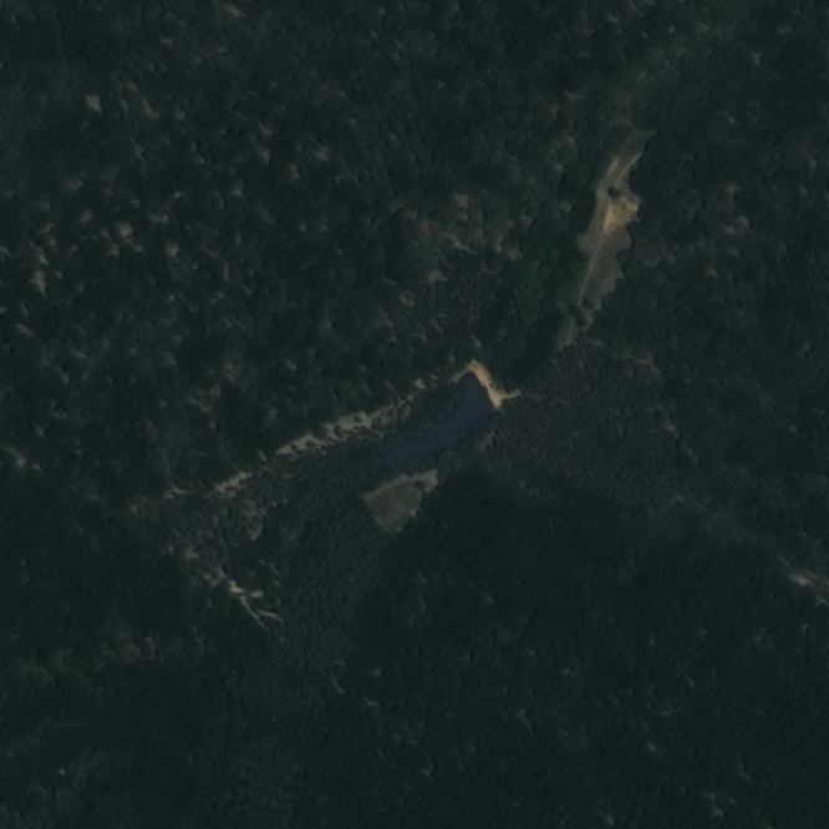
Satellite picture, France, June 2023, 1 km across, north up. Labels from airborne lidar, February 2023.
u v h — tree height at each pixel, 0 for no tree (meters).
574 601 24
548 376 17
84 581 23
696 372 21
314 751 16
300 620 21
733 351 25
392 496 0
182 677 15
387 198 29
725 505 23
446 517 19
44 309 24
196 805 13
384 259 21
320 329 25
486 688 21
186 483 23
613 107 19
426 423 8
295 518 17
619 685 16
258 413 20
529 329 17
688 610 24
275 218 25
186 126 21
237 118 18
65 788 15
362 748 20
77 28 24
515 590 22
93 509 25
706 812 27
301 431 17
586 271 0
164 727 16
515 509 18
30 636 20
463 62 24
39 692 13
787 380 22
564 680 21
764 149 27
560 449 20
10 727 17
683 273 24
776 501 24
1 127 18
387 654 22
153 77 24
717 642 23
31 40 25
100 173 20
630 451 18
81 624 17
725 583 24
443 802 20
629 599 22
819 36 19
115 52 24
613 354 18
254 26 27
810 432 20
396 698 25
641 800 23
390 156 29
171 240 19
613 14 22
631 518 20
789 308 20
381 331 18
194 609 14
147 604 23
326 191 19
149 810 15
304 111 28
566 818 20
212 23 27
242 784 18
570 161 23
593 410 19
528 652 26
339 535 20
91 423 26
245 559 19
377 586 18
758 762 26
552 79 24
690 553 18
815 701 19
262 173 26
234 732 21
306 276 22
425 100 27
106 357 20
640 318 19
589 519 17
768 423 24
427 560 21
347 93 24
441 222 24
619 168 0
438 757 21
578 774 22
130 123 22
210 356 22
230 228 23
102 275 24
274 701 32
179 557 23
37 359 28
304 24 24
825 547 24
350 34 27
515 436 20
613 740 23
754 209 29
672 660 27
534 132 19
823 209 27
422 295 18
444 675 24
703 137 26
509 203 22
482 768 21
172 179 20
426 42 26
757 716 26
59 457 22
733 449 23
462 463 18
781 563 26
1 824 19
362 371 15
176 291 21
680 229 22
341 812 19
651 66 16
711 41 17
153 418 26
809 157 25
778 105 26
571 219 18
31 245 17
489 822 21
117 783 17
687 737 23
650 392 20
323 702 19
